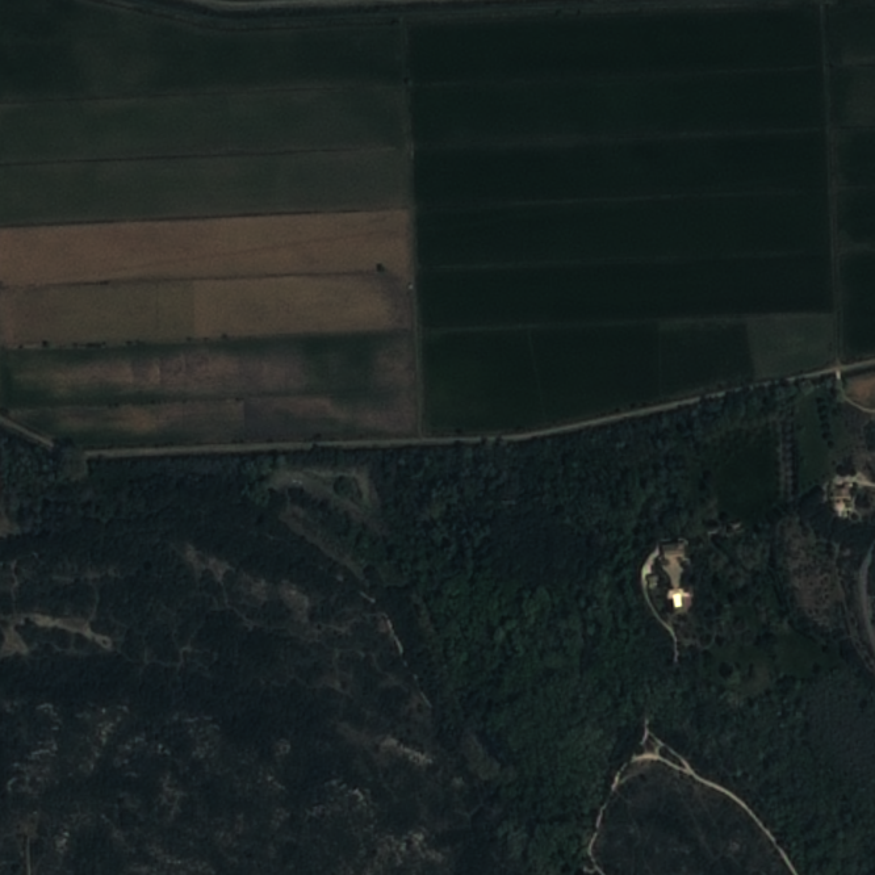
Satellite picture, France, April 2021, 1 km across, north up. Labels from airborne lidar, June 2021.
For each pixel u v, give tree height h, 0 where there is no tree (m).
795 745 16
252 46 0
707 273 0
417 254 0
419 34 0
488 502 12
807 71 0
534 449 11
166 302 0
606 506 20
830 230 0
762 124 0
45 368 0
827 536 8
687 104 0
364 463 8
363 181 0
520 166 0
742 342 0
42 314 0
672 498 9
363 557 6
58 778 0
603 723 15
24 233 0
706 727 15
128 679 7
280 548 8
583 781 17
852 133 0
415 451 11
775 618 12
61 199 0
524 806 17
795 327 0
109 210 0
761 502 0
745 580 15
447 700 8
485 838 10
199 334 0
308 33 0
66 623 0
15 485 13
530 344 0
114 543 6
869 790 6
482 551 16
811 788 17
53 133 0
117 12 0
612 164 0
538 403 0
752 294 0
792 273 0
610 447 7
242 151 0
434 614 12
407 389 0
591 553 15
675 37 0
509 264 0
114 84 0
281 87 0
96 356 0
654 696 16
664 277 0
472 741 24
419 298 0
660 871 0
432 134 0
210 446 0
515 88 0
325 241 0
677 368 0
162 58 0
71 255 0
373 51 0
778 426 13
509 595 10
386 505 10
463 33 0
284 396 0
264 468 17
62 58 0
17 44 0
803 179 0
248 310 0
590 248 0
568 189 0
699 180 0
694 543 7
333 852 0
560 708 18
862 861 7
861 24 0
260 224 0
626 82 0
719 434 15
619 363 0
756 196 0
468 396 0
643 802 0
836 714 7
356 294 0
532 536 9
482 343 0
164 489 12
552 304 0
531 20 0
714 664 17
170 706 6
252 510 9
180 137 0
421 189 0
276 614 6
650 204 0
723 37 0
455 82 0
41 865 0
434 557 19
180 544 0
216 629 6
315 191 0
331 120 0
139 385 0
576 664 14
